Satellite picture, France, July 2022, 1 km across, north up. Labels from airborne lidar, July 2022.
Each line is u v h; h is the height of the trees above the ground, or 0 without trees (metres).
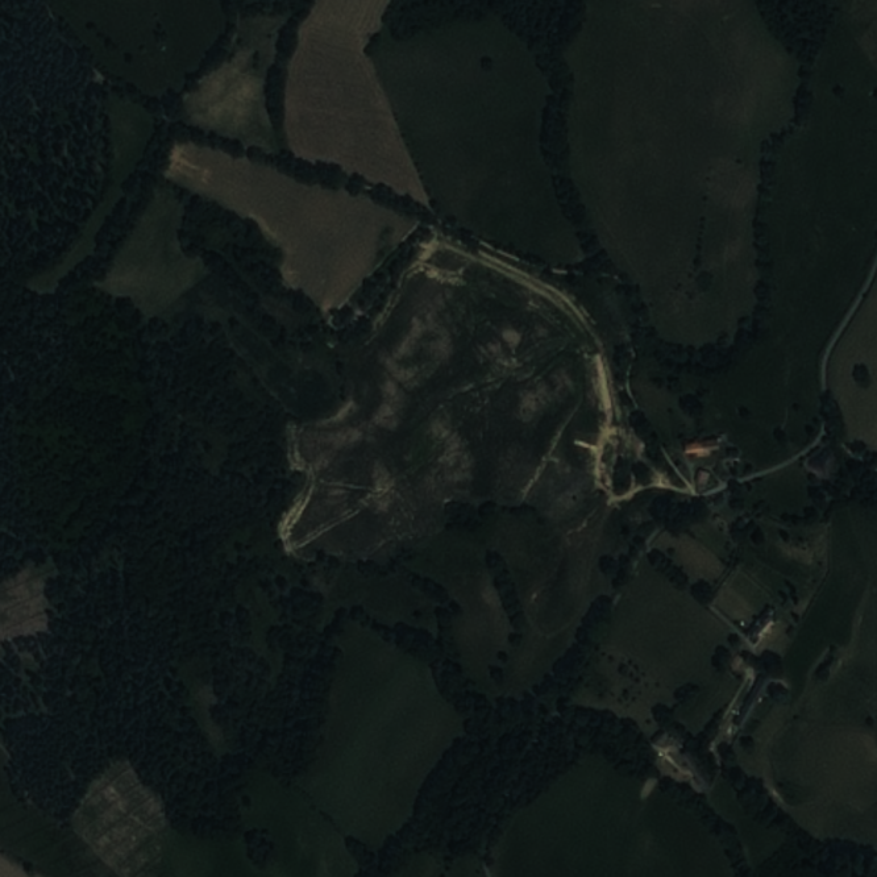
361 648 0
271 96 20
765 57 0
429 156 0
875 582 0
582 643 20
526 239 0
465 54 0
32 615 0
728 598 0
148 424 6
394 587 0
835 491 14
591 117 0
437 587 12
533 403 0
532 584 0
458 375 0
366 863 21
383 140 0
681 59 0
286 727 11
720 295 0
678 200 0
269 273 17
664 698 0
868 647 0
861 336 0
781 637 0
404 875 0
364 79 0
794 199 0
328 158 0
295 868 0
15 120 23
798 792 0
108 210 0
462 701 24
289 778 12
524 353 0
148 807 0
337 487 0
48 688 9
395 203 16
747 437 0
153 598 21
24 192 21
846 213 0
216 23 0
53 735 22
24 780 21
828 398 17
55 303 20
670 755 0
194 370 9
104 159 7
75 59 26
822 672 10
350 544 0
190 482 21
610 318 0
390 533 0
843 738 0
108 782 0
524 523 0
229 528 19
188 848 0
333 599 0
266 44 0
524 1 20
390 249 0
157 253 0
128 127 0
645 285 0
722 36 0
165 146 19
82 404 7
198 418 6
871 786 0
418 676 0
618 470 13
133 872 0
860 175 0
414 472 0
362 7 0
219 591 7
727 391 0
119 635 25
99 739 24
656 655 0
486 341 0
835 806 0
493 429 0
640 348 22
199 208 17
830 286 0
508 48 0
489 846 14
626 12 0
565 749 15
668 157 0
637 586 0
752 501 0
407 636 27
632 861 0
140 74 0
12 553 13
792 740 0
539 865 0
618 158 0
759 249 14
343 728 0
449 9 10
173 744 14
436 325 0
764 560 0
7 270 25
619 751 19
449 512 9
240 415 7
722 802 0
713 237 0
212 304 0
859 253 0
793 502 0
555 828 0
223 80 0
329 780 0
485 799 21
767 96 0
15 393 23
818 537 0
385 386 0
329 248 0
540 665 0
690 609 0
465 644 0
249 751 25
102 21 0
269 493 7
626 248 0
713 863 0
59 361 26
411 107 0
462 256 0
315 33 0
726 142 0
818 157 0
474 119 0
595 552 0
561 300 0
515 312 0
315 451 0
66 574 31
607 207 0
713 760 14
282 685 9
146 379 26
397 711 0
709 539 0
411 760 0
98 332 8
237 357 9
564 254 0
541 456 0
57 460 8
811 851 13
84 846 0
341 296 0
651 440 20
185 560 16
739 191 0
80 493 11
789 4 11
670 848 0
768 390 0
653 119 0
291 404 0
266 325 22
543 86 0
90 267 20
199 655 8
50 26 38
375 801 0
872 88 0
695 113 0
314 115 0
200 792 10
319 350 0
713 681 0
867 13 0
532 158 0
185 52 0
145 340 17
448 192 0
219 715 19
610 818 0
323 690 23
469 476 0
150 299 0
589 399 0
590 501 0
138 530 27
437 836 18
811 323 0
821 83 0
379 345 0
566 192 21
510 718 24
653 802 0
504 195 0
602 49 0
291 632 8
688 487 0
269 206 0
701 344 0
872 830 0
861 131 0
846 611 0
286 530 0
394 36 16
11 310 25
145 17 0
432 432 0
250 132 0
